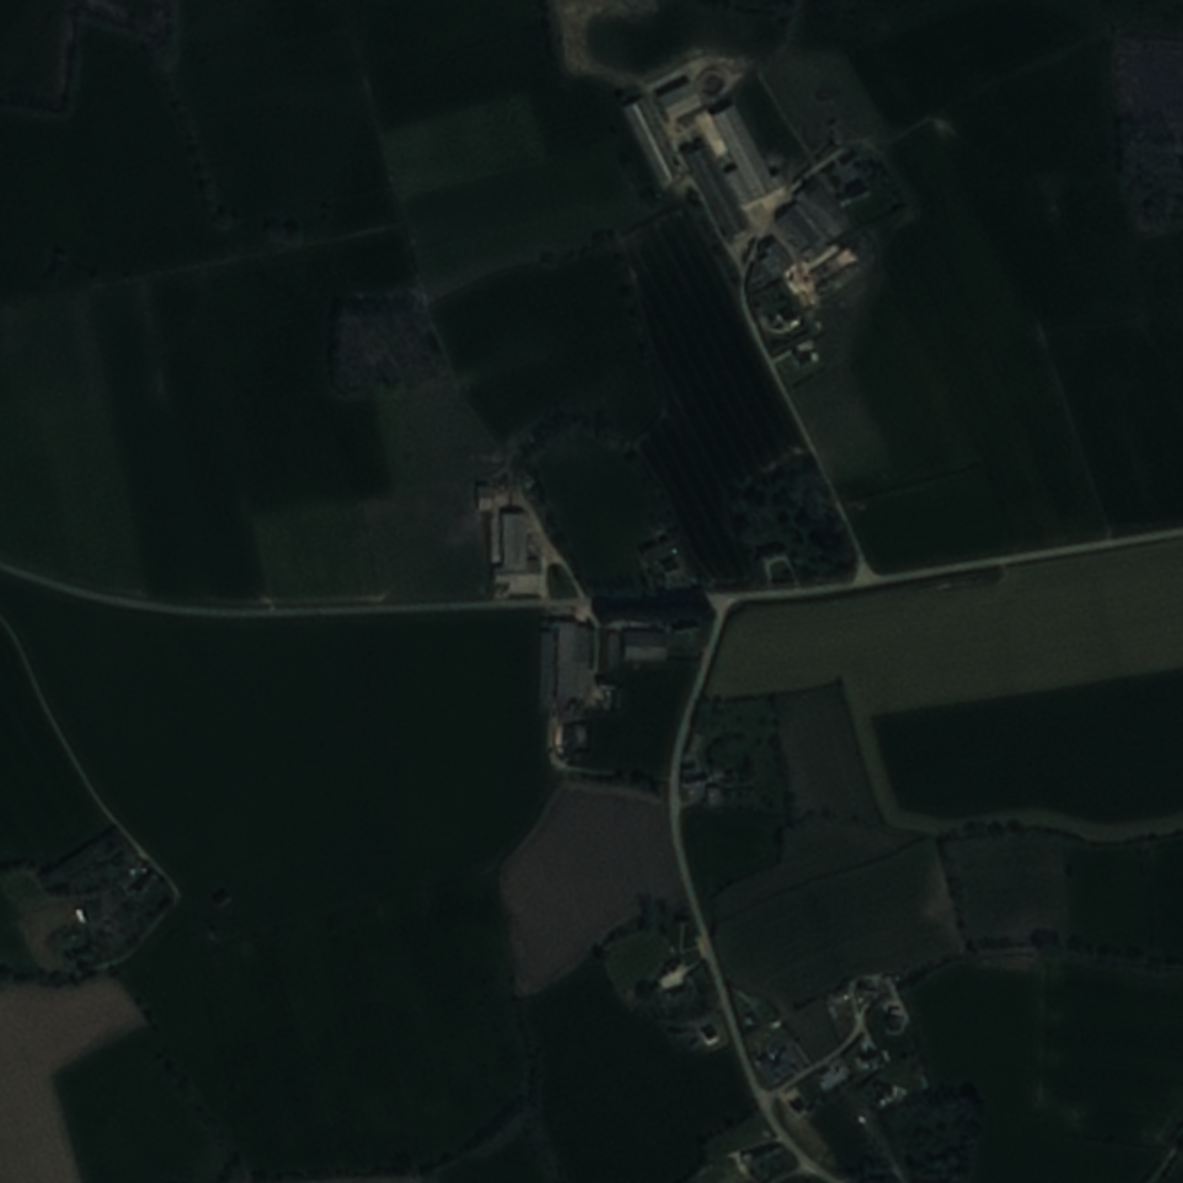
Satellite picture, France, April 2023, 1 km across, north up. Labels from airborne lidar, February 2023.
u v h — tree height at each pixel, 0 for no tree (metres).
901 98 0
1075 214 0
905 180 0
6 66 0
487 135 0
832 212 0
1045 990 0
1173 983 0
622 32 0
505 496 0
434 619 0
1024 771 0
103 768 0
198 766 0
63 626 0
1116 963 8
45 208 0
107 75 0
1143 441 0
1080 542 0
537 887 0
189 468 0
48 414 0
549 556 0
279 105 0
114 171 0
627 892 0
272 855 0
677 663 0
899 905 0
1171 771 0
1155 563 0
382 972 0
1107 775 0
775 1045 0
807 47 0
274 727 0
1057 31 0
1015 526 0
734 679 0
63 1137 0
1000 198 0
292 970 0
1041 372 0
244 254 0
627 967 0
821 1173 0
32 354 0
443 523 0
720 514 0
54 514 0
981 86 0
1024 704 0
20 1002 0
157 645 0
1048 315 0
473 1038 0
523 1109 10
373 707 0
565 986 0
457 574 0
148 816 0
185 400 0
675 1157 0
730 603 0
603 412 0
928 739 0
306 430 0
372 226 0
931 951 0
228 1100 0
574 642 0
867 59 0
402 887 0
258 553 0
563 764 0
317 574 0
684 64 0
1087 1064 0
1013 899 0
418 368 17
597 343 0
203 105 0
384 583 0
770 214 0
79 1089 0
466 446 0
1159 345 0
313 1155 0
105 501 0
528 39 0
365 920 0
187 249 0
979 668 0
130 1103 0
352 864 0
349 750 0
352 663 0
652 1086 0
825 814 8
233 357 0
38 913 0
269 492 0
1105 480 0
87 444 0
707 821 0
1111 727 0
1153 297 0
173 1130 0
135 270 0
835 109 0
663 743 0
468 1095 0
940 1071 0
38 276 0
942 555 0
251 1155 0
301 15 0
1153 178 17
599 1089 0
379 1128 0
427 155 0
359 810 0
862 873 0
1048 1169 0
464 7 0
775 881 0
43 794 0
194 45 0
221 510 0
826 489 8
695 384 0
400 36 0
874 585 0
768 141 0
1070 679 0
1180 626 0
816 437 0
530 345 0
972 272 0
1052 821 0
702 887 0
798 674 0
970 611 0
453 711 0
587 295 0
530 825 0
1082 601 0
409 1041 0
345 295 0
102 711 0
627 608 18
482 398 0
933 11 0
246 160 0
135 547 0
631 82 0
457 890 0
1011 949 10
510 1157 0
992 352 0
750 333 0
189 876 0
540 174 0
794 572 7
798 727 0
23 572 0
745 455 0
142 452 0
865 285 0
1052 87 0
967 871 0
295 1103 0
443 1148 0
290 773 0
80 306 0
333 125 0
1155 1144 0
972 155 0
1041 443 0
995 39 0
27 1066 0
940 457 0
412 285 0
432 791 0
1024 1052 0
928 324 0
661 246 0
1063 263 0
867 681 0
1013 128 0
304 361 0
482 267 0
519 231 0
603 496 0
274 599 0
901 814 0
